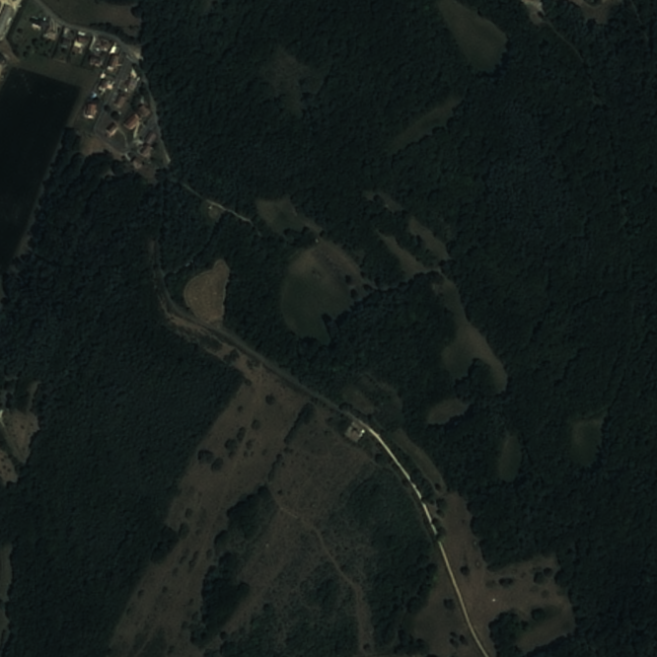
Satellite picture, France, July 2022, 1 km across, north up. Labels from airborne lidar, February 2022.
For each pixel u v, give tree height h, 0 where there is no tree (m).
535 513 24
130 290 17
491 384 12
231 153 13
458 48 24
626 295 20
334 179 16
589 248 23
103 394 6
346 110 11
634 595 20
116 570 8
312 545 0
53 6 0
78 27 0
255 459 0
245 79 10
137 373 8
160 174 11
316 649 6
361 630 0
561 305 18
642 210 22
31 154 0
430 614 0
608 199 24
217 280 0
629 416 20
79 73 0
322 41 10
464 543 0
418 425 20
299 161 19
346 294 0
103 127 0
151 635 0
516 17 16
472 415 18
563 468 21
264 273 14
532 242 18
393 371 9
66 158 15
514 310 21
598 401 19
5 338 25
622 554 15
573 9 20
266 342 13
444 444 15
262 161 16
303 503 0
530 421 23
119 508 7
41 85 0
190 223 20
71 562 9
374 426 12
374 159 7
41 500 11
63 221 24
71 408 6
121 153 0
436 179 6
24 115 0
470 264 15
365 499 7
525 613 0
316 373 15
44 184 0
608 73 22
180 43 15
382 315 21
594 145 24
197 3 6
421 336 13
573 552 16
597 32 26
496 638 15
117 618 6
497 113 19
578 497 18
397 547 9
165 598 0
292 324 0
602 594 18
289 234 12
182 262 10
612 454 20
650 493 22
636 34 21
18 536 8
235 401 0
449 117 0
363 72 10
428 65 10
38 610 16
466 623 0
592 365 20
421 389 14
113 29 9
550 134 23
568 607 0
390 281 13
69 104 0
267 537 0
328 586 10
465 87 17
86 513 7
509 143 23
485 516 11
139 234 18
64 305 15
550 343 8
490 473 26
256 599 0
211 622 16
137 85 0
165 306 0
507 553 13
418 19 14
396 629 17
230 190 20
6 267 0
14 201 0
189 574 0
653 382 13
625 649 31
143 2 11
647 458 19
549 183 30
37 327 19
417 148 7
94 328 16
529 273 19
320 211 17
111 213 14
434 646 0
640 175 26
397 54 16
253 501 14
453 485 9
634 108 20
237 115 16
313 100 14
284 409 0
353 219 11
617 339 17
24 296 26
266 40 13
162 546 12
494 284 16
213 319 0
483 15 16
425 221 8
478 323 15
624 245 19
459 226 6
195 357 9
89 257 19
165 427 8
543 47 15
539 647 0
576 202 21
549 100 14
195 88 9
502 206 23
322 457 0
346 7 13
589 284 19
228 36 9
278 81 0
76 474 6
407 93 19
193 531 0
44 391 19
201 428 7
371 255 8
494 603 0
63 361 17
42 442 11
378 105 10
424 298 18
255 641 8
